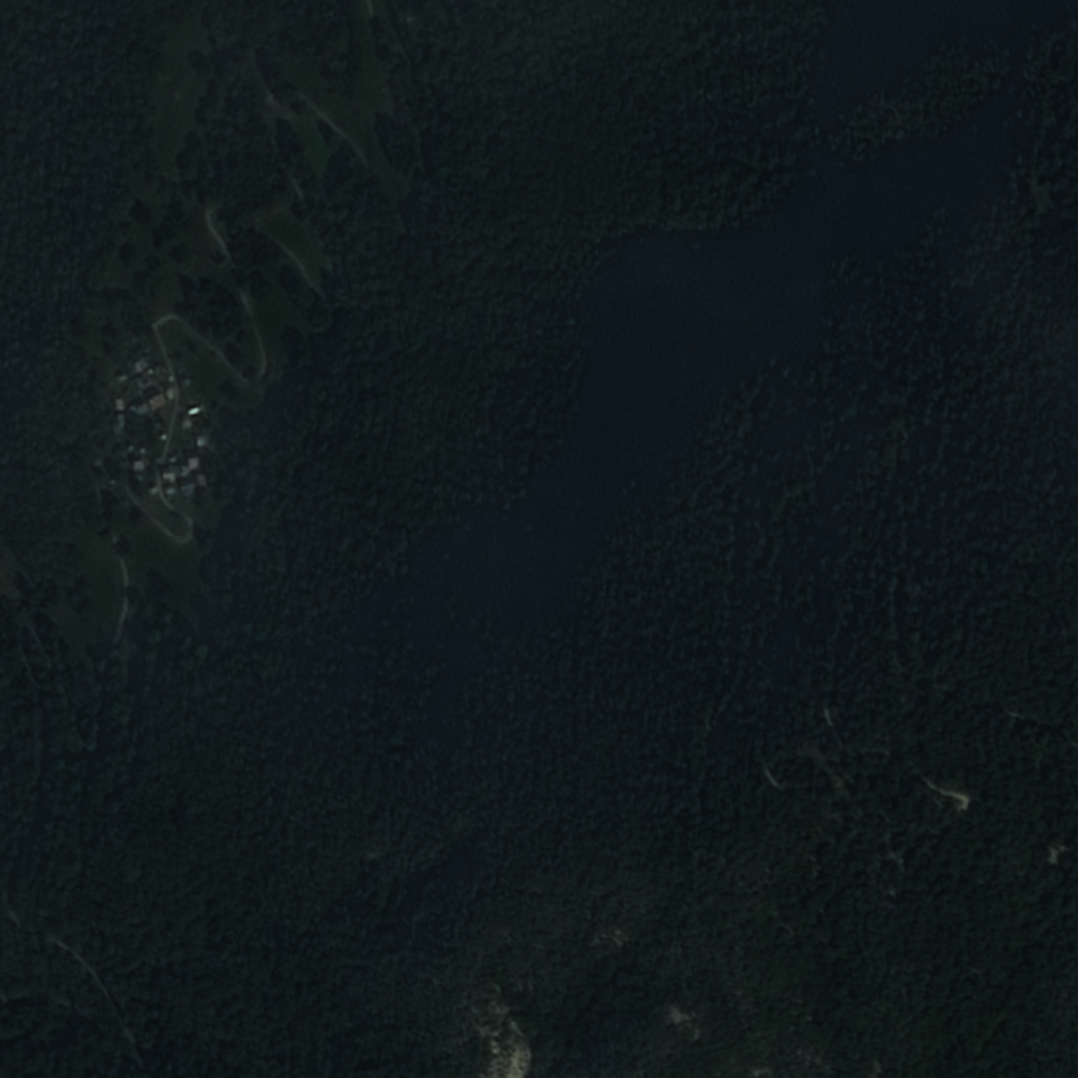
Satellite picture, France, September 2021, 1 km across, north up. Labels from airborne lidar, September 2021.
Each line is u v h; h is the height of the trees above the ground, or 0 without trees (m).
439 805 22
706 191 25
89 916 16
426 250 26
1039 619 30
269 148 19
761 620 21
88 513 24
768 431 11
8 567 0
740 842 18
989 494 14
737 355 16
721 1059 18
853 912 22
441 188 22
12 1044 11
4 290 25
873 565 24
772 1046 16
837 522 28
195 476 0
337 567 22
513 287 20
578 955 14
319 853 18
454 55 21
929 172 27
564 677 23
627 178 24
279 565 29
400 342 22
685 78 20
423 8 18
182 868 26
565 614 18
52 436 31
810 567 13
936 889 24
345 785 24
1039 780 10
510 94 24
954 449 20
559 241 19
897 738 27
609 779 19
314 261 0
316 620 24
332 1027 17
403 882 21
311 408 25
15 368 15
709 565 27
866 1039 21
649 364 21
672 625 23
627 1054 10
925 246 30
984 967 21
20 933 13
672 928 16
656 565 20
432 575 22
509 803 17
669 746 18
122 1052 12
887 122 21
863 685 19
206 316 10
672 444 21
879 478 12
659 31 20
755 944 17
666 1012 10
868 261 22
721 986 16
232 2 26
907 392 15
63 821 19
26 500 33
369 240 32
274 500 21
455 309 26
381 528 22
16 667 19
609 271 15
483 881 13
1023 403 23
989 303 29
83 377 25
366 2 16
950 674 23
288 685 28
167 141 0
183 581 0
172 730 26
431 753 12
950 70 21
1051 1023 16
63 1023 10
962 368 26
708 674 22
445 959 16
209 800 21
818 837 10
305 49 24
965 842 16
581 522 19
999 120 20
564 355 23
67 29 23
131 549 15
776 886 14
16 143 27
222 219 0
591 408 18
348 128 0
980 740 13
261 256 15
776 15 21
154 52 27
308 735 20
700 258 7
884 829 25
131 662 0
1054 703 26
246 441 24
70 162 24
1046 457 33
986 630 17
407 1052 18
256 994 24
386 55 20
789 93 18
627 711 17
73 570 24
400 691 22
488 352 25
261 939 29
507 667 21
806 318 16
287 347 0
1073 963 13
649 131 22
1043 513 20
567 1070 10
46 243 19
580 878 17
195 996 28
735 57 19
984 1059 18
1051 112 14
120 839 22
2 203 31
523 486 22
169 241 22
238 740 19
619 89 18
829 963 27
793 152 18
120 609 0
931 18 18
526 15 15
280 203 21
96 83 28
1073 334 20
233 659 26
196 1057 28
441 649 29
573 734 20
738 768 19
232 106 14
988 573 16
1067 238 25
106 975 27
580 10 21
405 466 30
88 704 24
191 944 29
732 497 20
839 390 26
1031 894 27
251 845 26
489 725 20
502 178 27
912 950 22
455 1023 9
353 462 27
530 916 17
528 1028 20
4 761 14
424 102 25
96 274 14
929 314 18
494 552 24
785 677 19
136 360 0
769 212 15
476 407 25
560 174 25
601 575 25
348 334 27
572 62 22
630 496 18
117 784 24
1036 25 20
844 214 19
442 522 27
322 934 19
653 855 24
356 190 9
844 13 18
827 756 22
